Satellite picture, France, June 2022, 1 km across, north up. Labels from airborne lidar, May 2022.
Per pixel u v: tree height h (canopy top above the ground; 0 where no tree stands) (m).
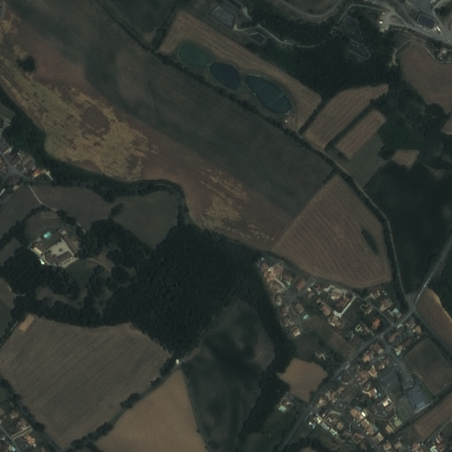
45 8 0
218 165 0
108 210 0
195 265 17
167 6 0
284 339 14
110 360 0
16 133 15
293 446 11
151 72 0
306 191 0
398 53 0
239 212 0
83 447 10
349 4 0
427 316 0
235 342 0
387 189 0
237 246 13
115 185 10
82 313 18
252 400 0
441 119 6
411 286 0
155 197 0
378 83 12
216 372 0
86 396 0
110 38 0
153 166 0
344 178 10
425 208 0
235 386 0
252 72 0
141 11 0
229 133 0
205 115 0
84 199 0
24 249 17
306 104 0
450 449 8
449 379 0
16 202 0
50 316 19
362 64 14
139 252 22
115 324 17
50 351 0
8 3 0
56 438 0
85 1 0
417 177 0
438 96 0
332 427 0
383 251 0
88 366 0
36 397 0
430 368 0
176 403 0
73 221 16
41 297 0
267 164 0
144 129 0
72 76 0
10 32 0
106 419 0
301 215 0
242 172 0
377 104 9
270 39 7
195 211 0
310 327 0
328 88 20
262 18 13
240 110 0
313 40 12
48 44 0
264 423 16
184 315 19
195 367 0
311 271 0
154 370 0
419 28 0
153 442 0
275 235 0
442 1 0
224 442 0
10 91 0
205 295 18
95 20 0
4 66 0
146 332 16
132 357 0
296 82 0
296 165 0
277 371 12
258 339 0
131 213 0
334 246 0
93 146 0
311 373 0
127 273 15
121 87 0
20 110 12
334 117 0
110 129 0
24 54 0
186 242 20
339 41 13
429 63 0
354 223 0
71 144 0
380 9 0
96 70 0
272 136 0
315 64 15
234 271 14
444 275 8
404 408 0
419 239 0
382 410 0
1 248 12
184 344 16
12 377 0
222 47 0
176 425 0
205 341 0
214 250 16
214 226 0
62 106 0
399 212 0
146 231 0
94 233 14
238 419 0
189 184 0
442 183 0
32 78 0
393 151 10
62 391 0
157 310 17
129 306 18
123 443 0
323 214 0
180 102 0
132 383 0
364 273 0
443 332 0
